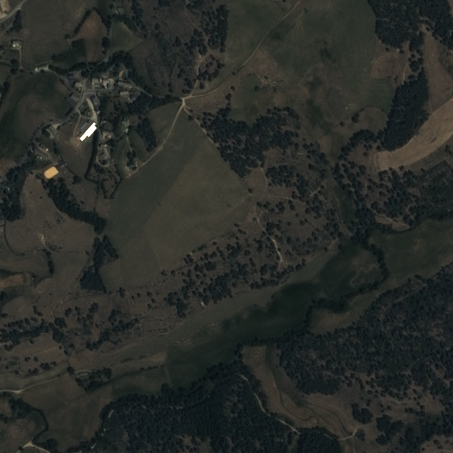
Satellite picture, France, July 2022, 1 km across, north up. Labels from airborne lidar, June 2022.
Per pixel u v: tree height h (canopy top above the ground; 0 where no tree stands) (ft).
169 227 0
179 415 78
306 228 0
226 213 0
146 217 0
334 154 0
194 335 0
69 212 62
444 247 0
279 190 0
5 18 0
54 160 0
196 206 0
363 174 30
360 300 0
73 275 0
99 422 0
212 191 0
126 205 0
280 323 0
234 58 0
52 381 0
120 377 0
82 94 0
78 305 0
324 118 0
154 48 0
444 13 66
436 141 0
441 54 0
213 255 45
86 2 0
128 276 0
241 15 0
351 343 23
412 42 53
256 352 0
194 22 0
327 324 0
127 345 0
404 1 62
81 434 0
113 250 45
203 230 0
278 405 0
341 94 0
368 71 0
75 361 0
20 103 0
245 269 34
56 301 0
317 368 50
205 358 0
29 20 0
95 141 55
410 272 0
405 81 0
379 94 0
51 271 33
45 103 0
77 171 0
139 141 0
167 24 0
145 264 0
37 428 0
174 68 0
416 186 62
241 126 50
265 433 69
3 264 0
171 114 0
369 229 49
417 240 0
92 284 54
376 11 50
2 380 0
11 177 49
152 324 0
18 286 0
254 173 0
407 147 0
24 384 0
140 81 60
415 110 65
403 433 0
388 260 0
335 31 0
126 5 0
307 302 0
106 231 0
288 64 0
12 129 0
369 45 0
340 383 32
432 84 0
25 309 0
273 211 41
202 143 0
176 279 0
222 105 0
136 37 0
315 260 0
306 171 0
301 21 0
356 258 0
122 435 0
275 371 0
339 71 0
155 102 48
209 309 0
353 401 0
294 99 0
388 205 62
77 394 0
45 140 0
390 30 59
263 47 0
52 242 0
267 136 58
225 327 0
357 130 0
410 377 43
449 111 0
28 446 0
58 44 0
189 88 30
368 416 59
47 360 0
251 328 0
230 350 0
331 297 0
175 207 0
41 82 0
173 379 0
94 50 0
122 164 0
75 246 0
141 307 0
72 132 0
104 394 0
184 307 54
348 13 0
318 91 0
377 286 59
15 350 0
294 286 0
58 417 0
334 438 43
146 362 0
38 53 0
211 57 23
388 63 0
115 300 0
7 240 0
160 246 0
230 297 28
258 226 0
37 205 0
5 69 0
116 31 0
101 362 0
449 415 21
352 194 59
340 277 0
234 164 59
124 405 41
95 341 0
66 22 0
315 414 0
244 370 56
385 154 0
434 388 45
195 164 0
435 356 55
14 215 44
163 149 0
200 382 55
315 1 0
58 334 39
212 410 62
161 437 43
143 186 0
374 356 50
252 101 0
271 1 0
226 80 0
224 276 23
